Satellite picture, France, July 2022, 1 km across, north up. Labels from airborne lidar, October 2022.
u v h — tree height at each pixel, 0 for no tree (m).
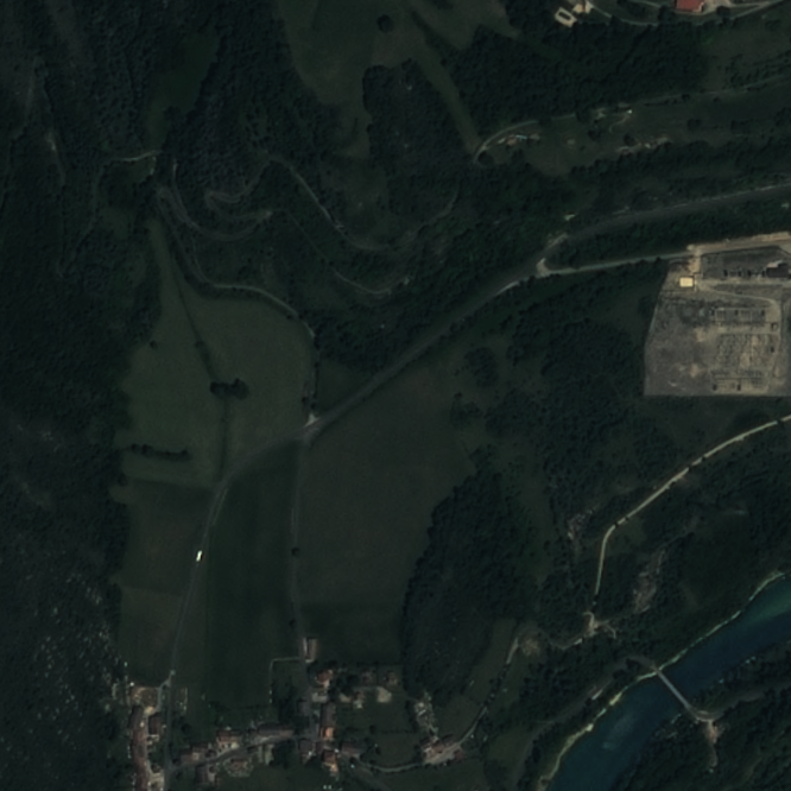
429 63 0
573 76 18
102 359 14
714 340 0
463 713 0
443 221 15
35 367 0
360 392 0
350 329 12
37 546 0
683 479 0
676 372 0
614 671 0
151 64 21
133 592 0
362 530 0
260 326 0
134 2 16
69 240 9
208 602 0
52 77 10
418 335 26
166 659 0
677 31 20
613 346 7
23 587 0
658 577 7
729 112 0
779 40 0
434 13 0
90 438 0
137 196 12
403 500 0
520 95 15
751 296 0
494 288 0
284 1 0
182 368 0
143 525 0
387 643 0
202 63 0
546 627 7
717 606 6
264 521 0
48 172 15
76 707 0
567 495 6
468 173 15
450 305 14
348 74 0
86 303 14
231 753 0
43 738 0
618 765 0
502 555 16
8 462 0
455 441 0
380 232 0
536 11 18
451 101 0
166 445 0
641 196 9
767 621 0
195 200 9
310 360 0
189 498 0
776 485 8
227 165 0
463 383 0
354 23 0
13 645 0
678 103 13
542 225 8
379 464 0
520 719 6
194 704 0
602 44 20
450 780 0
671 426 0
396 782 0
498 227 8
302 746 0
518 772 0
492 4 0
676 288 0
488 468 7
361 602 0
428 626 0
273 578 0
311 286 0
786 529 12
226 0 19
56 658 0
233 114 8
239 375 0
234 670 0
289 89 12
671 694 0
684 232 12
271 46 13
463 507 7
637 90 18
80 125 16
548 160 0
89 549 0
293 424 0
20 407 0
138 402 0
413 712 11
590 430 7
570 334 16
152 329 15
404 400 0
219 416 0
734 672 15
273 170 9
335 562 0
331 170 0
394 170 12
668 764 15
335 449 0
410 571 0
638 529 0
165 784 0
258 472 0
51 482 0
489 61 18
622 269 13
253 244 7
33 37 9
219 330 0
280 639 0
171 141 20
